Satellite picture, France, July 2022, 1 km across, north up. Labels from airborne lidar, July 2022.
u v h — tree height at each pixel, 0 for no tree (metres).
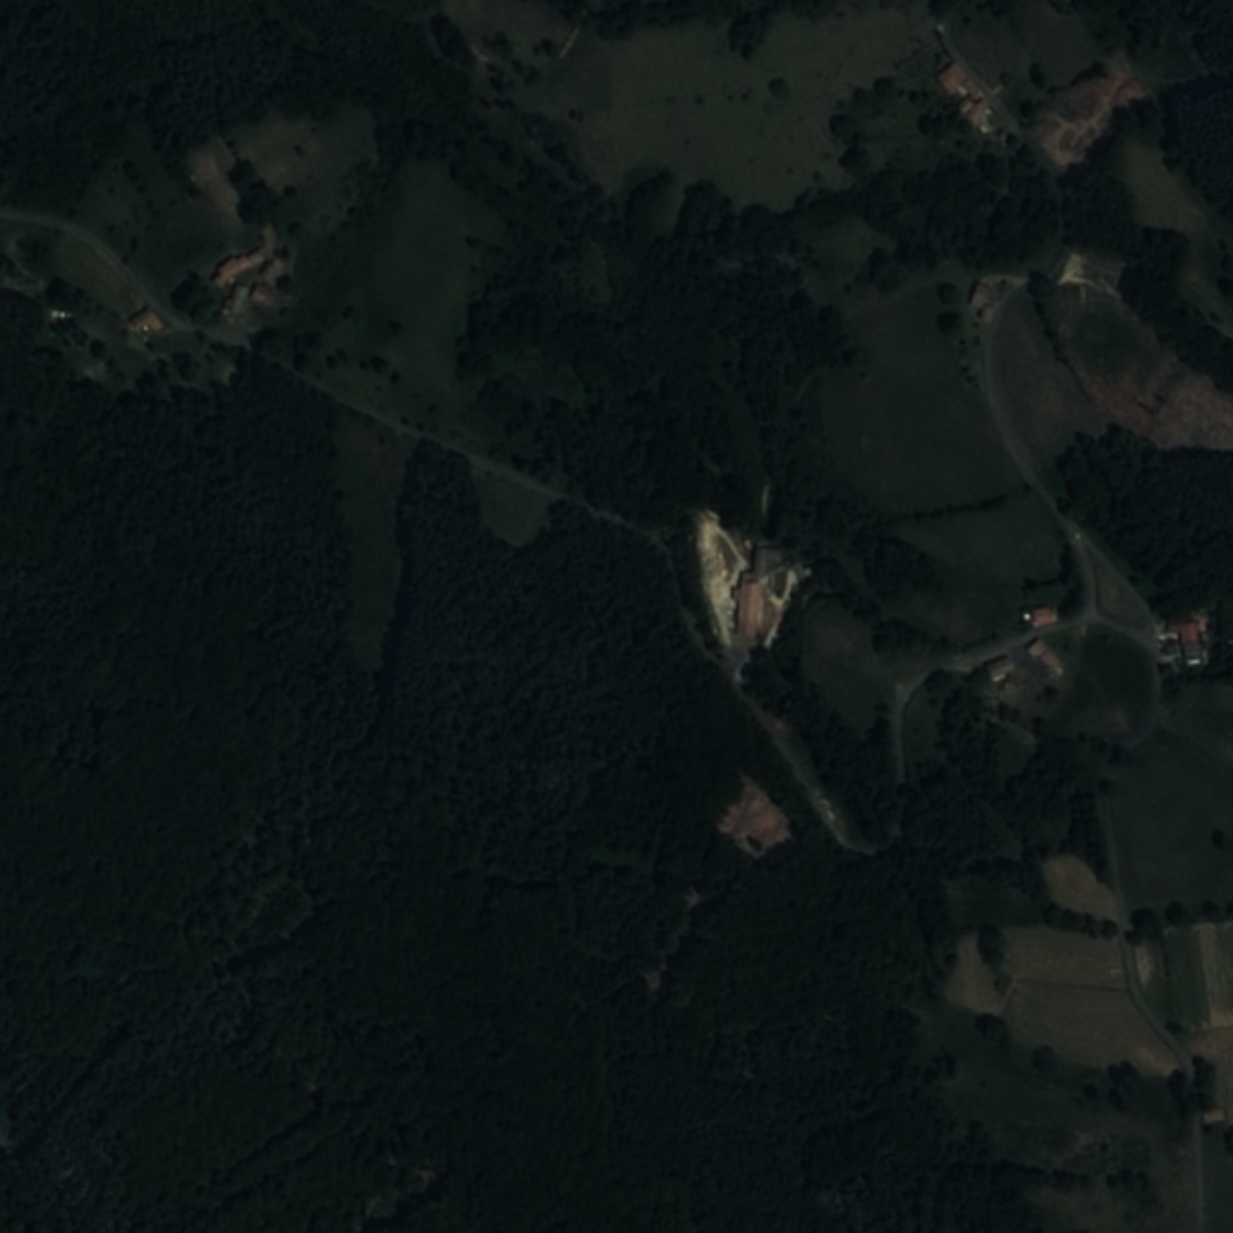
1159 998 0
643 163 0
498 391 15
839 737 29
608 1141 17
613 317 6
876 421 0
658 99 0
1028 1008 0
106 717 30
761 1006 25
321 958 25
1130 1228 0
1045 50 0
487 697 11
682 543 12
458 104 8
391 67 6
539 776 27
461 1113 26
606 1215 26
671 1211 15
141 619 28
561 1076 24
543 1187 25
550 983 28
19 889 20
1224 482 28
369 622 0
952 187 13
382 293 0
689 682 26
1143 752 0
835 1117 16
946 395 0
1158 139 0
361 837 26
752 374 18
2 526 28
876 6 0
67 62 28
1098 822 11
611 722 18
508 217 18
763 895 26
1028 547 0
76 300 20
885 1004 19
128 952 26
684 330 19
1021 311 0
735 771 30
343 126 0
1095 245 19
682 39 0
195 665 29
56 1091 20
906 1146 18
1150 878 0
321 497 20
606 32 17
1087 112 0
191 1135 26
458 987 30
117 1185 16
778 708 11
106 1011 19
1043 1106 0
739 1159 17
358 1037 24
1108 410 0
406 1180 24
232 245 0
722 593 0
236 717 29
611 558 16
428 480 11
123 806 24
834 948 20
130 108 18
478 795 7
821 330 17
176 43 12
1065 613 13
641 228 17
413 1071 29
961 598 0
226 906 22
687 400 16
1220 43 26
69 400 23
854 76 0
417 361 0
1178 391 0
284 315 8
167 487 23
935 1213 10
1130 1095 21
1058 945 0
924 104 11
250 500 20
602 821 19
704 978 26
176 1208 18
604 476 22
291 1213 24
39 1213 20
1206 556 30
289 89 15
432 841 30
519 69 18
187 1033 28
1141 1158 0
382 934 31
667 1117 16
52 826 24
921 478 0
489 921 28
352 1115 23
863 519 7
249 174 19
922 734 0
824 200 8
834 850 16
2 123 32
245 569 21
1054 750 9
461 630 22
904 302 0
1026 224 13
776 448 14
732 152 0
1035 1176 18
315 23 7
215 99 14
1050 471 0
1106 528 14
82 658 24
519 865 19
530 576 26
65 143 9
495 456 6
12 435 37
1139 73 0
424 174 0
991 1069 0
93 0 6
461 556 22
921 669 0
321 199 0
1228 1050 0
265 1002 24
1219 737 0
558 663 19
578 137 0
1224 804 0
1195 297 0
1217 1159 0
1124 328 0
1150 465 20
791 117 0
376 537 0
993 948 23
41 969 22
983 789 16
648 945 21
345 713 30
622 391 20
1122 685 0
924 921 18
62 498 27
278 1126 22
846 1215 32
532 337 24
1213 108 31
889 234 10
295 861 27
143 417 26
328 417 17
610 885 27
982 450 0
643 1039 14
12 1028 15
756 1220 17
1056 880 0
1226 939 0
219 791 27
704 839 21
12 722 17
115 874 21
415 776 21
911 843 17
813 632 0
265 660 27
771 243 21
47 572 28
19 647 14
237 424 17
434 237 0
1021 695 0
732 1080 10
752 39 6
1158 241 17
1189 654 0
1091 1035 0
